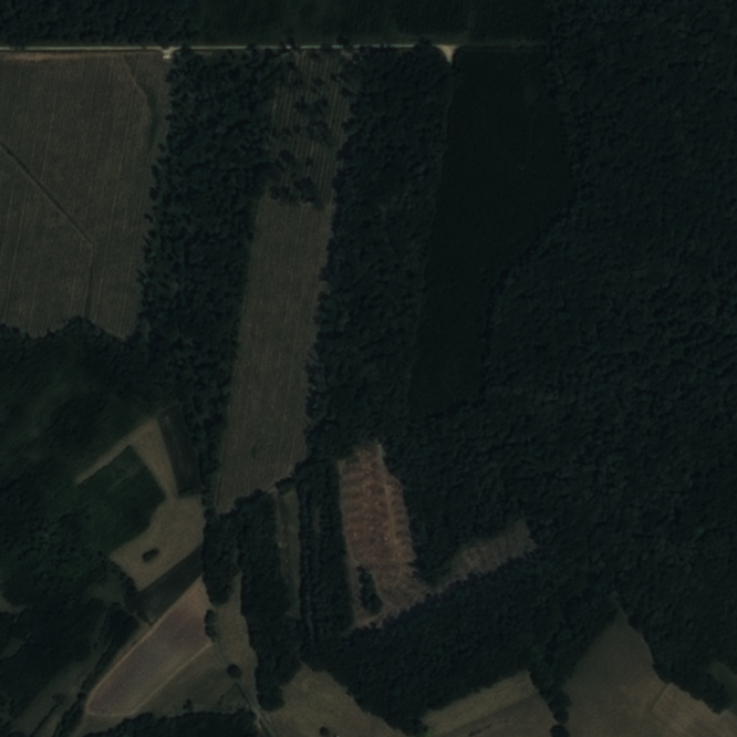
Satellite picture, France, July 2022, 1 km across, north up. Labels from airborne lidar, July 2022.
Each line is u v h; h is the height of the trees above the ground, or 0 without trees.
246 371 0
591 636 13
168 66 0
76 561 14
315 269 0
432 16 6
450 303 7
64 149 0
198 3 30
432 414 6
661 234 21
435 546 30
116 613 8
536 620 30
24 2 30
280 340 0
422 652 28
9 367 7
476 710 0
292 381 0
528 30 9
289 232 0
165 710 0
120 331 0
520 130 7
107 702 0
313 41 0
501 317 24
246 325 0
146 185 0
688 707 0
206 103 31
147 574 0
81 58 0
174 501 0
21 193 0
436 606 29
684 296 14
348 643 17
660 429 17
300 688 0
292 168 31
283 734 0
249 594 15
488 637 22
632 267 22
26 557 12
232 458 0
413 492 21
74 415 8
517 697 0
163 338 29
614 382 28
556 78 19
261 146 30
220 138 30
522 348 21
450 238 8
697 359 26
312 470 23
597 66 31
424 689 28
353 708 0
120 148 0
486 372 20
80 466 0
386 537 0
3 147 0
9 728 5
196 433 24
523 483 26
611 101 25
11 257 0
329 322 28
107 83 0
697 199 25
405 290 22
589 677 0
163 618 0
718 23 31
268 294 0
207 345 29
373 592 17
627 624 0
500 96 8
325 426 23
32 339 17
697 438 22
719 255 26
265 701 22
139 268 0
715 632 13
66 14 29
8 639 6
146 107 0
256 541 22
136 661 0
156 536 0
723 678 0
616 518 29
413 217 27
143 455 0
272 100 30
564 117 15
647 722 0
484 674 25
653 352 29
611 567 26
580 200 20
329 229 0
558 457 28
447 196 9
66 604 25
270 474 0
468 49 6
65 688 0
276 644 22
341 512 18
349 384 16
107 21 27
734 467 26
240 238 22
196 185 32
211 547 19
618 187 25
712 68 27
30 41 20
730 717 0
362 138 28
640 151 24
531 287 24
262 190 24
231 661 0
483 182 8
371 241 16
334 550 24
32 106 0
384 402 25
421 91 21
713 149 24
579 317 26
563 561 32
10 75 0
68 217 0
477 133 7
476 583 25
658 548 28
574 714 0
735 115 19
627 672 0
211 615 13
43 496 6
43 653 6
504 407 25
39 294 0
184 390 24
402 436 22
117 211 0
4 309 0
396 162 26
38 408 0
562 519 23
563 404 25
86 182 0
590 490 26
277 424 0
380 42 0
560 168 8
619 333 29
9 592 7
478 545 27
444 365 7
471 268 6
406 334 28
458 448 7
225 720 7
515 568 25
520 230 7
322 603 31
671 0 24
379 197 27
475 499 28
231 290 15
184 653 0
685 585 21
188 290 17
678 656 22
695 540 24
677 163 27
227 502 0
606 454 29
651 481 22
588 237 26
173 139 18
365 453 18
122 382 12
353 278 25
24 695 7
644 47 30
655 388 25
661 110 26
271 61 28
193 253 30
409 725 20
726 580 15
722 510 15
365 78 30
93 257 0
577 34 12
